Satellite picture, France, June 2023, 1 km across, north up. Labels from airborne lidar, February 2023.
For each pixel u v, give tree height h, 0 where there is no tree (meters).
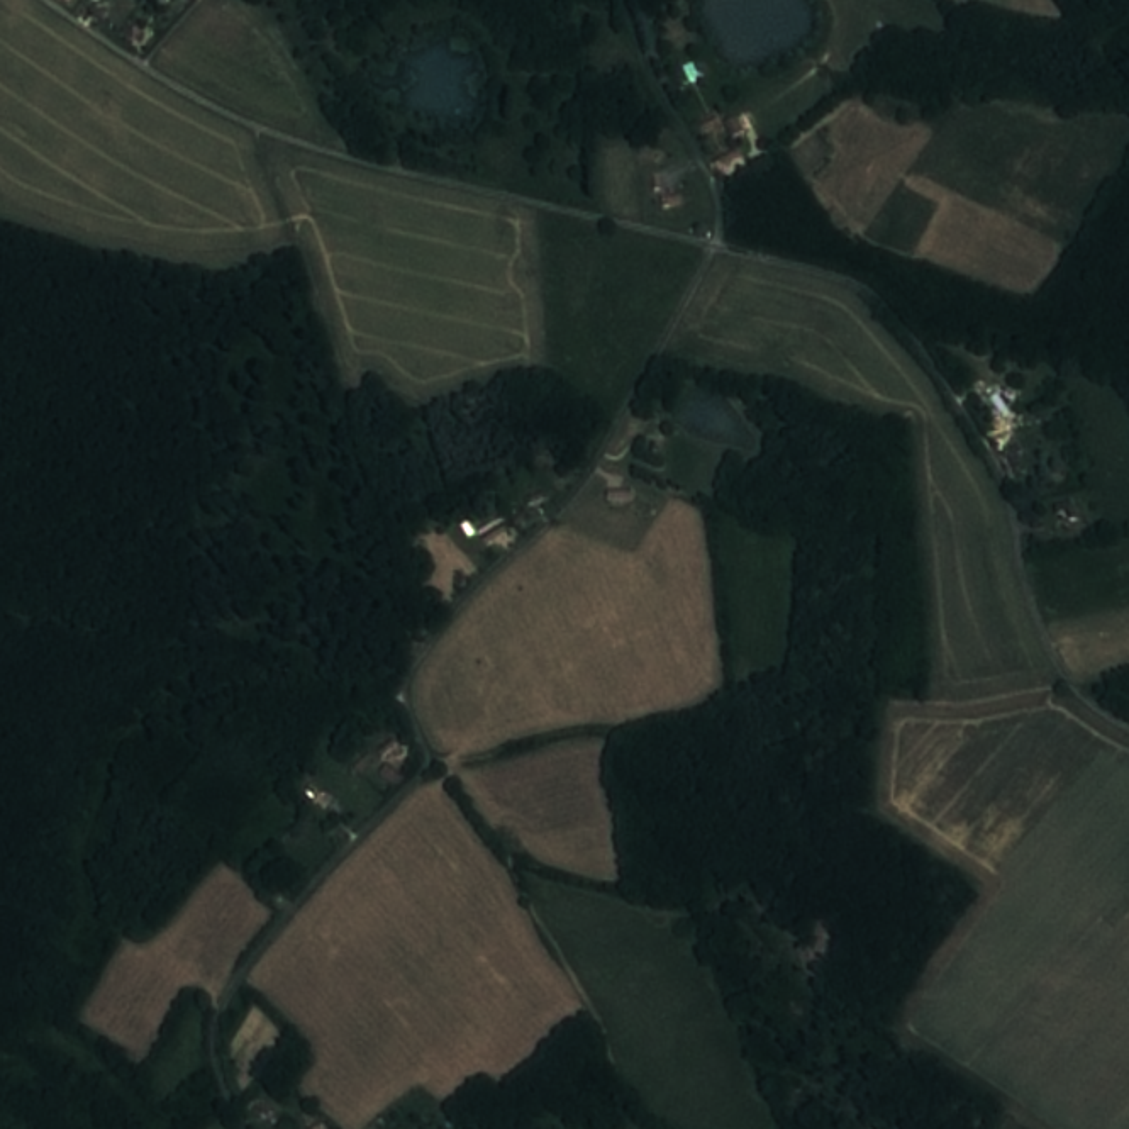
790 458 26
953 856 0
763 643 0
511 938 0
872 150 0
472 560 0
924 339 9
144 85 0
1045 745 0
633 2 25
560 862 0
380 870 0
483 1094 17
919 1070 17
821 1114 19
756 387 21
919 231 0
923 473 0
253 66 0
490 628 0
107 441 29
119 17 0
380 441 24
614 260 0
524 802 0
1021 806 0
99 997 0
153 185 0
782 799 29
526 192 5
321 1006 0
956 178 0
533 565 0
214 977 0
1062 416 11
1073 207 0
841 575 25
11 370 29
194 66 0
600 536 0
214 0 0
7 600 22
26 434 29
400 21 0
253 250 0
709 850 22
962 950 0
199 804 6
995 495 0
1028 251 0
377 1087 0
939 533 0
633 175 0
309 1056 12
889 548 19
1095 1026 0
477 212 0
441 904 0
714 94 0
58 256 25
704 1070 0
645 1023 0
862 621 26
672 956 0
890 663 19
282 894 17
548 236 0
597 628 0
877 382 0
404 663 27
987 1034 0
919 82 14
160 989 0
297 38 0
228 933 0
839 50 0
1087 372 16
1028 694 0
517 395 21
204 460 29
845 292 0
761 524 15
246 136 0
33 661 24
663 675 0
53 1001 22
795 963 0
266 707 16
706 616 0
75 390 31
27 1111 8
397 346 0
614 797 19
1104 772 0
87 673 28
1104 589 0
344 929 0
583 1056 20
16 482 31
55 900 21
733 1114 0
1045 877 0
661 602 0
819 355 0
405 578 22
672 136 0
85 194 0
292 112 0
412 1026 0
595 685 0
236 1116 17
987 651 0
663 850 23
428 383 0
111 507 28
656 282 0
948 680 0
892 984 19
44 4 0
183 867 16
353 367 0
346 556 29
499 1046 0
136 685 26
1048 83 24
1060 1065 0
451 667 0
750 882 23
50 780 26
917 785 0
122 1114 12
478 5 16
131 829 18
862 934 24
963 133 0
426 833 0
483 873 0
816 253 13
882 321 13
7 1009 23
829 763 20
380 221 0
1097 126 0
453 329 0
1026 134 0
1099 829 0
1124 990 0
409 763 8
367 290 0
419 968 0
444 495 13
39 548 24
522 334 0
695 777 24
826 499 24
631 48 0
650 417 12
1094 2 28
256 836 0
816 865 22
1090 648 0
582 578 0
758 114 0
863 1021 22
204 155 0
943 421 0
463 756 0
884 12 0
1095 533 12
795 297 0
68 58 0
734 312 0
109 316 28
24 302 29
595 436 20
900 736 0
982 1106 17
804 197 12
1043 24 18
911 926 21
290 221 0
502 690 0
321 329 11
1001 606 0
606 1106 7
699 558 0
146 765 8
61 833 24
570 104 11
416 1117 10
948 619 0
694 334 0
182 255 0
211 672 29
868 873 27
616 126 16
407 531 16
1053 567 0
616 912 0
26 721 27
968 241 0
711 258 0
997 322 8
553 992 0
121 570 28
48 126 0
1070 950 0
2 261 26
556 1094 19
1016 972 0
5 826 26
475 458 20
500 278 0
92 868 18
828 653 21
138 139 0
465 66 0
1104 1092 0
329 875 0
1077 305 14
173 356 31
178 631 29
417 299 0
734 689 16
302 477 29
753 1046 6
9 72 0
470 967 0
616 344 0
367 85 7
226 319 34
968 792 0
